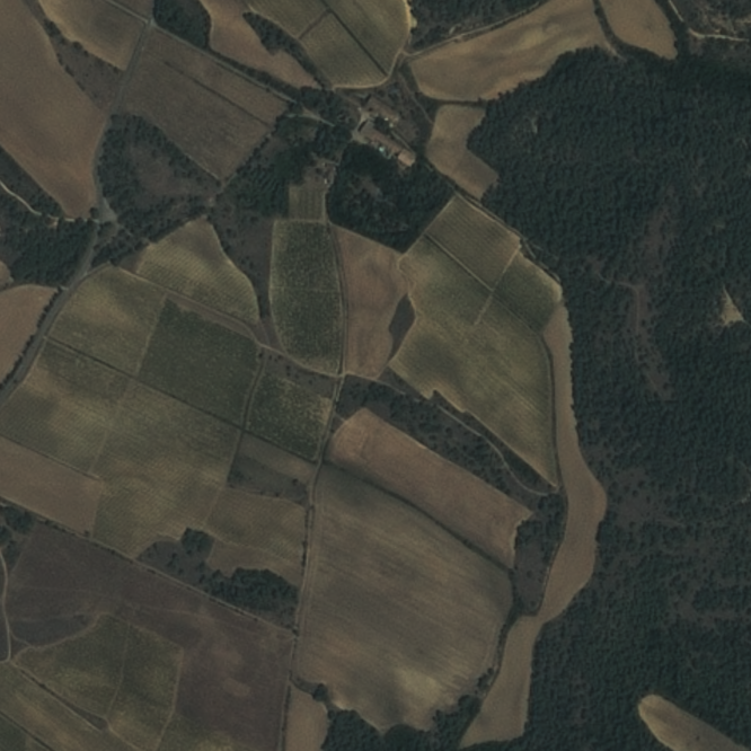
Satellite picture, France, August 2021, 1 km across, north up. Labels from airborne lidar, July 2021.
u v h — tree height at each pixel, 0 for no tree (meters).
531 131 8
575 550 0
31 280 9
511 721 0
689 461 11
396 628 0
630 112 16
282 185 12
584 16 0
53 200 10
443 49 0
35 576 0
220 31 0
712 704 14
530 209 15
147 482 0
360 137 0
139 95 0
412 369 0
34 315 0
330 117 10
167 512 0
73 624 0
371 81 0
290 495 0
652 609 10
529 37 0
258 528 0
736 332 12
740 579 7
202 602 0
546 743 9
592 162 6
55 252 13
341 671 0
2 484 0
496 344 0
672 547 13
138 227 8
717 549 8
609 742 12
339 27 0
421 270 0
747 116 14
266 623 0
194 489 0
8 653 0
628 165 12
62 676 0
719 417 14
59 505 0
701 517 9
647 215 13
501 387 0
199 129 0
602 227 14
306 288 0
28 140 0
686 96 11
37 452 0
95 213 12
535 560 0
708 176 11
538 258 9
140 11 0
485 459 11
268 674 0
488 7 12
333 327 0
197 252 0
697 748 0
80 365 0
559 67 7
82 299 0
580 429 10
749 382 10
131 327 0
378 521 0
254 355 0
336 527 0
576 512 0
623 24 0
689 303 11
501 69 0
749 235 14
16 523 10
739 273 13
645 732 13
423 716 0
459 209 0
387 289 0
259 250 0
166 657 0
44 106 0
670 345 13
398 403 11
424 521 0
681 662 14
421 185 14
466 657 0
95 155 0
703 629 9
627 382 15
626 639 10
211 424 0
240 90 0
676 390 10
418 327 0
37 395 0
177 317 0
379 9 0
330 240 0
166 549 0
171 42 0
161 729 0
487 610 0
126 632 0
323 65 0
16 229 10
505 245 0
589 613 12
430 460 0
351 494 0
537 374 0
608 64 12
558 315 0
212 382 0
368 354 0
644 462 12
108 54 0
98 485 0
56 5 0
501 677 0
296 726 0
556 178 13
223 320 0
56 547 0
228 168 0
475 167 0
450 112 0
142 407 0
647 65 6
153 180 0
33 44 0
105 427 0
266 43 10
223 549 0
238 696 0
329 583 0
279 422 0
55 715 0
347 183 7
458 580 0
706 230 13
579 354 10
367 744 9
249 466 0
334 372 0
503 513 0
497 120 9
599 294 9
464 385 0
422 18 8
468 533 0
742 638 8
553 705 10
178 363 0
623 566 6
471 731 0
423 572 0
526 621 0
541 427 0
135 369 0
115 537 0
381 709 0
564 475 0
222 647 0
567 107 12
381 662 0
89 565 0
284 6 0
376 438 0
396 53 0
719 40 6
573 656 9
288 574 0
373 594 0
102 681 0
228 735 0
